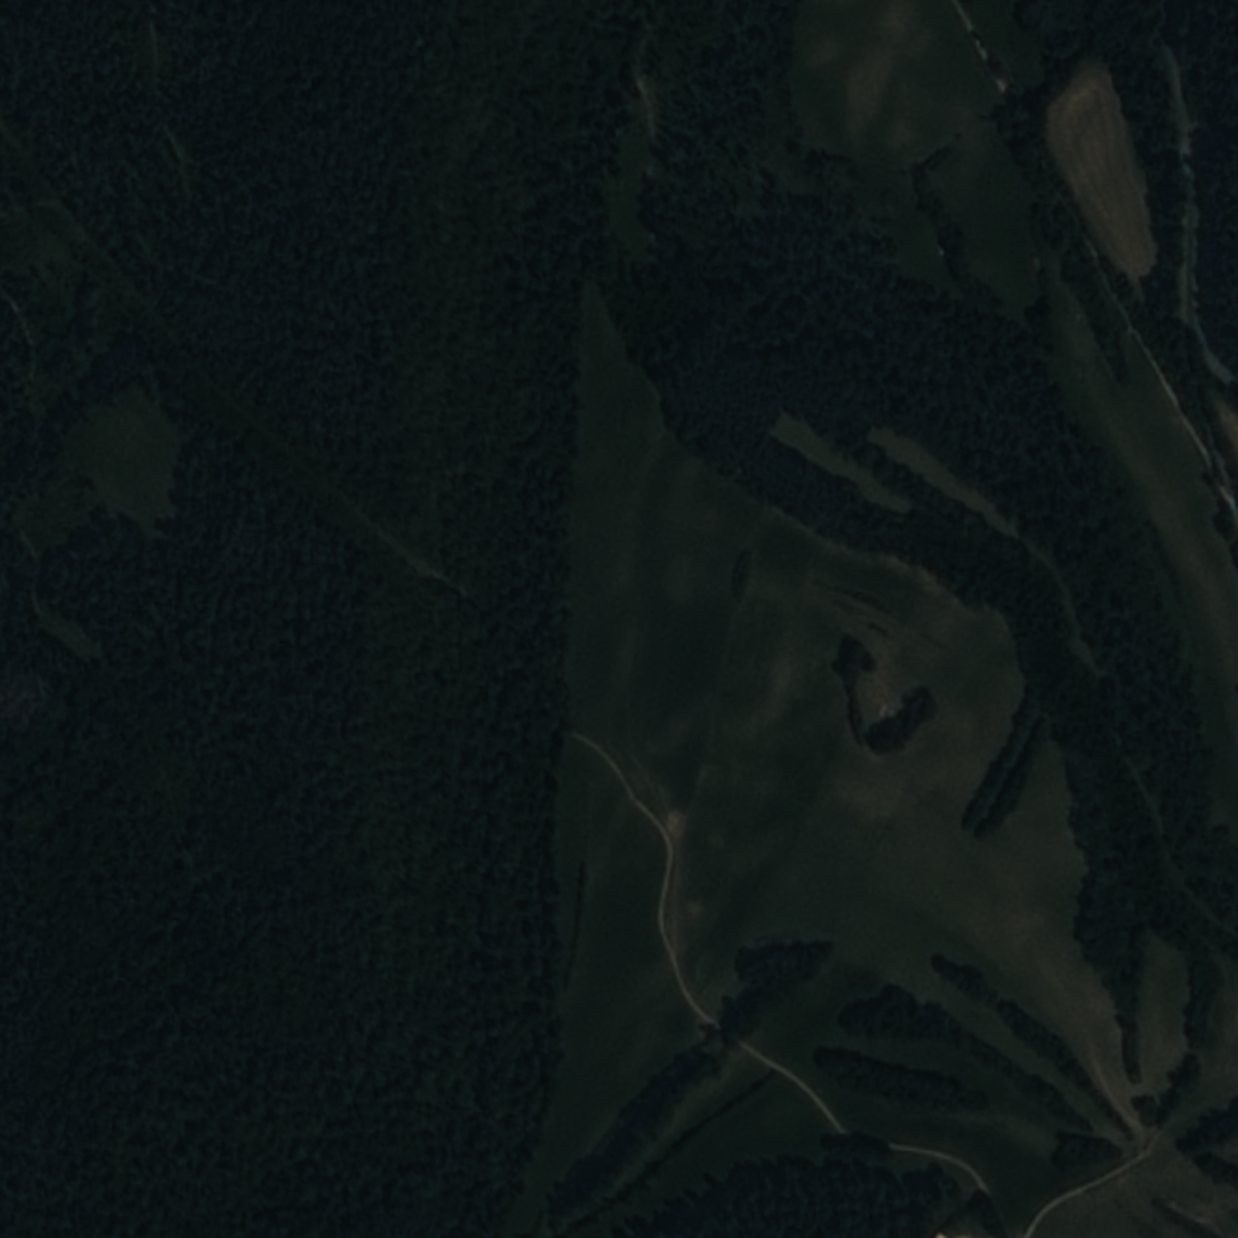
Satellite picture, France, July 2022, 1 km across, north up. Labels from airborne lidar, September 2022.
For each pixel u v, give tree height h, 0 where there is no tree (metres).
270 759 13
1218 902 8
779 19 21
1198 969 9
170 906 12
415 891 27
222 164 16
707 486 0
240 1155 17
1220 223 32
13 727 17
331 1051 19
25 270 0
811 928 0
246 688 19
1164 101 29
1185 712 8
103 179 19
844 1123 0
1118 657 11
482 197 25
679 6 8
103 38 21
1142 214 0
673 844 0
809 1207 26
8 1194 19
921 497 28
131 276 12
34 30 17
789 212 14
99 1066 23
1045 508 20
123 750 7
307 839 20
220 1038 20
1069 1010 0
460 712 25
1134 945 20
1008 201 0
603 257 25
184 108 14
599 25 16
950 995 0
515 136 17
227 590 21
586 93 27
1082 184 0
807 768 0
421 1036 21
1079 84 0
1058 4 14
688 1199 0
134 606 17
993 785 13
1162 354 16
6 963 17
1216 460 7
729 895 0
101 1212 13
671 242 26
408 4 24
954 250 26
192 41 11
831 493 30
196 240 22
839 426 23
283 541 16
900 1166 0
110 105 13
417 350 14
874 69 0
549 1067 25
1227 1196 0
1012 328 16
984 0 0
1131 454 0
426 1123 14
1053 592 9
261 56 23
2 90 21
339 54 15
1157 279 8
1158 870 15
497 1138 17
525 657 25
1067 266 12
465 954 24
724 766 0
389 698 23
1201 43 31
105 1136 25
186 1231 17
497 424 24
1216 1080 0
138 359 25
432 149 15
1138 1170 0
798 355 30
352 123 29
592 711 0
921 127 0
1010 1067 17
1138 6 22
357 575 17
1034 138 14
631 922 0
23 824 6
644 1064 0
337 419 21
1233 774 0
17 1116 24
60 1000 14
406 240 19
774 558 0
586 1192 26
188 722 9
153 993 7
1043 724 8
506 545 27
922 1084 16
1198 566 0
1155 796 7
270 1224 18
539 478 35
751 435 26
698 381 36
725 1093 0
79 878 12
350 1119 21
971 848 0
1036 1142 0
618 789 0
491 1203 24
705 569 0
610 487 0
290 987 21
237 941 19
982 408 6
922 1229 22
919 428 24
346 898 20
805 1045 0
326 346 22
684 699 0
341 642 21
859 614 0
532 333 25
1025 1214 0
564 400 26
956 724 0
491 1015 25
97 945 15
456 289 24
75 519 0
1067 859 0
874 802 0
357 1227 25
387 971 16
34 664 18
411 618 19
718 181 20
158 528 6
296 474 6
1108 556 8
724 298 33
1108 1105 7
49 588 24
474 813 18
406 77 20
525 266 19
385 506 13
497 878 23
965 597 19
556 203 31
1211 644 0
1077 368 0
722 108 14
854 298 23
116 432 0
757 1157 0
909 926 0
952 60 0
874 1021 24
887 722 11
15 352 15
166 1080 17
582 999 0
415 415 17
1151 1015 0
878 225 14
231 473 19
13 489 22
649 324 7
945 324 15
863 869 0
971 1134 0
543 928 36
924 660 0
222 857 12
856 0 0
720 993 0
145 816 12
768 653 0
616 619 0
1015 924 0
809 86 0
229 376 15
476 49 18
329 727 24
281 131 9
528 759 26
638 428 0
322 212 22
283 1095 19
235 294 26
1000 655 0
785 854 0
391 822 23
